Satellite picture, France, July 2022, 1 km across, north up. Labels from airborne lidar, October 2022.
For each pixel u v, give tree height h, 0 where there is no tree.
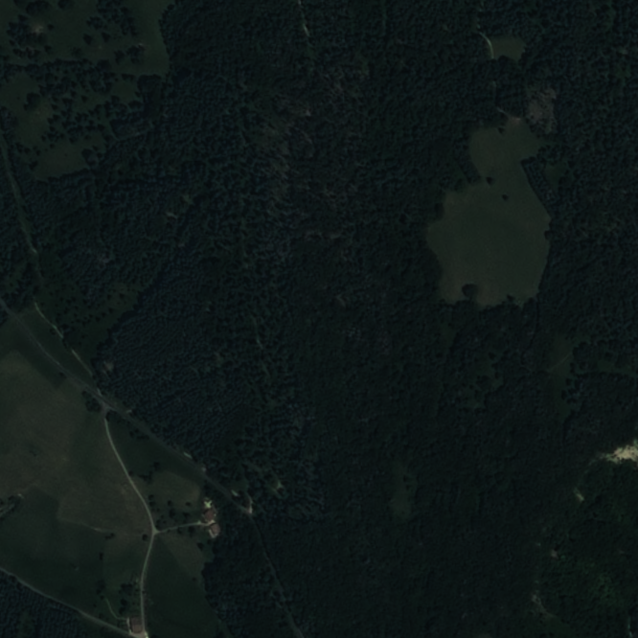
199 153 24
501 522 23
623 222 18
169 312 15
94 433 0
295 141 17
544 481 16
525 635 6
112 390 23
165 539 0
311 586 13
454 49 24
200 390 17
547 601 16
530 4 14
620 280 23
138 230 11
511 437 11
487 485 8
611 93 23
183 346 21
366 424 20
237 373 18
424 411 18
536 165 18
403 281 25
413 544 19
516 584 20
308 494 16
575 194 22
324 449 13
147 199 20
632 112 22
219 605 21
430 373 18
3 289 24
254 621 25
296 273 17
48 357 0
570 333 8
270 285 17
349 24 21
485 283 0
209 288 19
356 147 19
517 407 15
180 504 0
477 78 22
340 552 14
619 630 6
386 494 12
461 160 22
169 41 17
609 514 34
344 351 12
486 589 16
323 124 10
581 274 24
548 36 9
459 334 10
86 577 0
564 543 31
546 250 0
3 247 16
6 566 0
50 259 6
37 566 0
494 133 0
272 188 23
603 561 26
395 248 24
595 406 16
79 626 20
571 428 25
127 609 10
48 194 20
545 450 21
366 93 25
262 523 16
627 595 26
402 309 21
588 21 24
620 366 11
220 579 20
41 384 0
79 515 0
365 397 17
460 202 0
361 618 15
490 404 13
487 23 10
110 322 0
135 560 0
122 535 0
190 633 0
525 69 8
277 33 20
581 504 9
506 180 0
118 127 30
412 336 18
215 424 26
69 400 0
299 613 12
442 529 16
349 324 9
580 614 29
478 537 20
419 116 11
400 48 22
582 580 25
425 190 13
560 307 20
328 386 16
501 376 9
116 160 16
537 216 0
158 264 21
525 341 19
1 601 25
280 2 21
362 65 15
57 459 0
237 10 27
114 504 0
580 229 8
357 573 15
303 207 21
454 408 19
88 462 0
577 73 21
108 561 0
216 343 19
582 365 12
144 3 0
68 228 19
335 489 14
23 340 0
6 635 22
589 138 16
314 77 20
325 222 21
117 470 0
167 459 0
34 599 21
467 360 23
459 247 0
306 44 21
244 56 30
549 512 15
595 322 20
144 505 0
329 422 10
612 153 28
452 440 21
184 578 0
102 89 15
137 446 0
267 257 25
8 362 0
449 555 10
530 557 13
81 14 0
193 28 31
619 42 15
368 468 16
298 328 15
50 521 0
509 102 15
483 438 17
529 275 0
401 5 21
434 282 12
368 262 12
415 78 23
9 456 0
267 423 14
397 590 15
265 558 15
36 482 0
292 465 6
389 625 19
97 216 22
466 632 15
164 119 25
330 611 12
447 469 17
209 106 21
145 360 22
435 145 15
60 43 0
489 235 0
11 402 0
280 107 13
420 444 21
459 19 10
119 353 24
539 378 16
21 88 0
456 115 14
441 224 0
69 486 0
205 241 23
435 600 14
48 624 24
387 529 13
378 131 13
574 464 16
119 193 27
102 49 0
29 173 23
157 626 0
